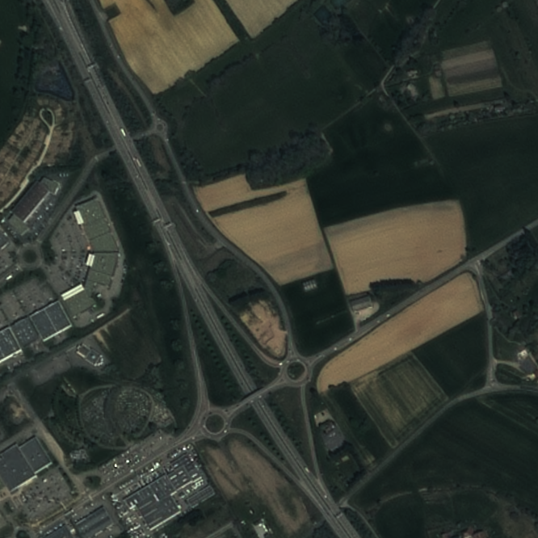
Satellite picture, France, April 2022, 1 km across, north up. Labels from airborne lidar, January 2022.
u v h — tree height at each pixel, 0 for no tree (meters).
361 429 7
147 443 0
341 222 0
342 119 0
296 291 0
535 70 0
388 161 0
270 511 0
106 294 0
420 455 0
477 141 0
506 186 0
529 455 0
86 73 0
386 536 0
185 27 0
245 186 0
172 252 0
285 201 0
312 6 7
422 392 0
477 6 0
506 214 0
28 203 0
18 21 0
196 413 0
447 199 0
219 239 0
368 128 0
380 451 0
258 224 0
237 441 0
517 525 0
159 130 0
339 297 0
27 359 0
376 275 0
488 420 0
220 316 0
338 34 8
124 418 0
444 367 0
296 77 0
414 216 0
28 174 0
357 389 0
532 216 0
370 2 0
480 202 0
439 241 0
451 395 0
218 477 0
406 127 0
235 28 7
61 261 0
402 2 0
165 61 0
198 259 0
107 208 0
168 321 0
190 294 0
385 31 0
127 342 0
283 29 0
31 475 0
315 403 0
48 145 0
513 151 0
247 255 0
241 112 0
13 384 0
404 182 0
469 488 0
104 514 0
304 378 0
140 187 0
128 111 12
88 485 0
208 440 0
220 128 0
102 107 0
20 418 0
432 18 24
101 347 0
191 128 0
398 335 0
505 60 0
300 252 0
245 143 0
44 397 0
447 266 0
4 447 0
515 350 0
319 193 0
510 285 7
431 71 0
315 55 0
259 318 0
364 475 16
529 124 0
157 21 0
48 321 0
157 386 12
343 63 0
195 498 0
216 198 0
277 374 0
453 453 0
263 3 0
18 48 0
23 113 0
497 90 0
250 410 0
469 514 0
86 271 0
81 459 0
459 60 0
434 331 0
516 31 0
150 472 0
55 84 0
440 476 0
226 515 0
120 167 8
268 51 9
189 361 0
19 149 0
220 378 0
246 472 0
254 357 0
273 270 0
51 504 0
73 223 0
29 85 7
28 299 0
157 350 0
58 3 0
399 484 0
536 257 14
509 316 0
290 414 0
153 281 0
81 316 0
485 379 0
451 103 0
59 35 12
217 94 0
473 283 0
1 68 0
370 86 0
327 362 0
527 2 0
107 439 0
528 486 0
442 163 0
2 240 0
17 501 0
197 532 0
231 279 0
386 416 0
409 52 24
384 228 0
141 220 0
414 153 0
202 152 0
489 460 0
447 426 0
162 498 0
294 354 0
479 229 0
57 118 0
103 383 0
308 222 0
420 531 0
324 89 0
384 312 0
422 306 0
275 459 0
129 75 0
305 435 0
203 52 0
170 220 0
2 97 0
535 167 0
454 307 0
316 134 15
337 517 0
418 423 0
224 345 0
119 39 0
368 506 0
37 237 0
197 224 0
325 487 0
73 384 0
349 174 0
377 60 0
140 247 0
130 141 0
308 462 0
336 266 0
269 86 0
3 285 0
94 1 0
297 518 0
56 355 0
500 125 0
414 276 0
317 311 0
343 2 0
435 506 0
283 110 0
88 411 0
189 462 0
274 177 26
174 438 0
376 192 0
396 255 0
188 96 0
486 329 0
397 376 0
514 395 0
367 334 0
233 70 18
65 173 0
